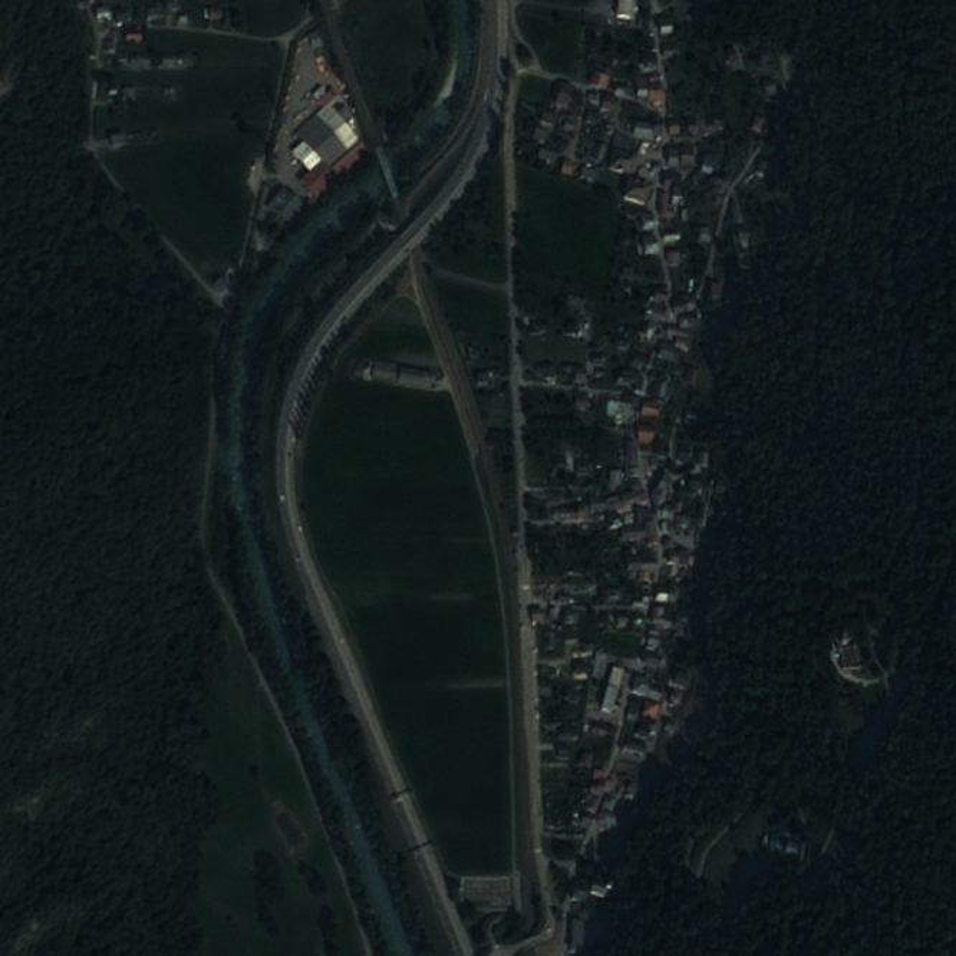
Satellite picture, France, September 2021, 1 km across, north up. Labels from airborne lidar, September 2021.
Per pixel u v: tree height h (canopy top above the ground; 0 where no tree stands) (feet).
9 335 103
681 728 0
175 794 87
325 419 0
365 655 0
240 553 61
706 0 75
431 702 0
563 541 20
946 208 41
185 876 86
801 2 86
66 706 42
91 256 68
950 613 82
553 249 0
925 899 66
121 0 0
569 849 40
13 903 40
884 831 108
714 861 0
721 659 75
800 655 59
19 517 59
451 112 50
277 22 0
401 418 0
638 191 0
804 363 106
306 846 0
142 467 67
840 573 75
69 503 84
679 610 24
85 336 50
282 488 0
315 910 0
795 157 84
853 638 71
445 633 0
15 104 77
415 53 0
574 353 0
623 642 0
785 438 61
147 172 0
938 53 57
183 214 0
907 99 70
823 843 0
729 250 21
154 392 73
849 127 72
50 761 62
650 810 54
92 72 0
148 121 0
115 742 70
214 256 0
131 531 53
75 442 60
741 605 66
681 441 29
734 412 35
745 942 53
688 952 69
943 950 84
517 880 0
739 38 40
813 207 101
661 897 53
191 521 104
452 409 0
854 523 84
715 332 30
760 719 101
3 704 51
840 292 85
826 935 70
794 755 78
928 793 76
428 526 0
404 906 69
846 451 87
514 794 0
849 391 62
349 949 0
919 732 83
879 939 70
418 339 0
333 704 72
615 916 61
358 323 35
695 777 58
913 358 70
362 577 0
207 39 0
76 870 82
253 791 0
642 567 0
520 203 0
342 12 0
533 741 0
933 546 100
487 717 0
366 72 0
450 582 0
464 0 0
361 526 0
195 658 117
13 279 88
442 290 0
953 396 94
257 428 74
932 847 73
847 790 86
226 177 0
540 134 0
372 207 58
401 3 0
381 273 0
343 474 0
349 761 78
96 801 105
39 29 53
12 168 94
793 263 94
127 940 80
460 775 0
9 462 68
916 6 78
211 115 0
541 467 0
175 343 86
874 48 74
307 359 0
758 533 80
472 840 0
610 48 46
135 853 85
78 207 91
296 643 89
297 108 0
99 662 69
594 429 22
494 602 0
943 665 93
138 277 70
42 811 39
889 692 0
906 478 86
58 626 66
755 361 92
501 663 0
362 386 0
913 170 74
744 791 66
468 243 69
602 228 0
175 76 0
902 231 62
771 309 95
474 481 0
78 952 103
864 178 85
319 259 59
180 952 86
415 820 0
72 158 65
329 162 0
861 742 0
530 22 0
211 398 32
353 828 0
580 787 26
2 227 55
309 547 0
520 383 0
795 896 60
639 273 22
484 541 0
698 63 30
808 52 72
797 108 54
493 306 0
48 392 98
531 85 0
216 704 0
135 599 61
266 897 57
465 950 0
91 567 65
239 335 86
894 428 89
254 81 0
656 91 0
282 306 46
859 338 95
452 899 37
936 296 118
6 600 61
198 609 105
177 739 95
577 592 0
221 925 0
